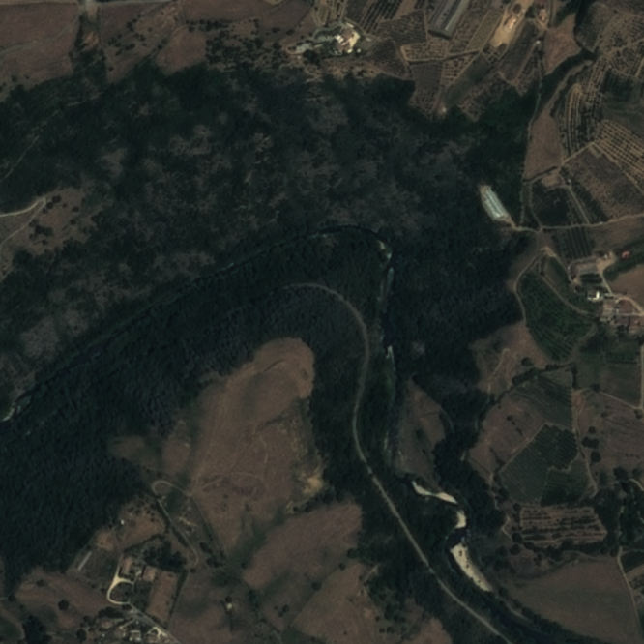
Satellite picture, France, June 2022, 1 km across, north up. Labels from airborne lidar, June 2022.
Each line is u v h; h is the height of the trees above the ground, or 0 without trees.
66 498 13
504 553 10
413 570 11
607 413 8
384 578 8
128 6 0
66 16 0
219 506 0
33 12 0
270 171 7
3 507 16
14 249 0
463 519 0
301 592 0
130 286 11
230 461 0
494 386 0
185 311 23
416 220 7
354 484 15
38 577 0
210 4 0
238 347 17
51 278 14
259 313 14
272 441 0
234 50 8
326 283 11
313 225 17
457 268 9
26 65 0
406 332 18
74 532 7
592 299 0
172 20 0
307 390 0
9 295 9
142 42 7
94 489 14
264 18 0
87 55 6
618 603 0
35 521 7
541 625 13
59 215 0
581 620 0
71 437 9
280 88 8
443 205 7
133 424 9
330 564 0
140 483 6
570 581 0
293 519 0
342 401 9
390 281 0
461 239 12
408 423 0
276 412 0
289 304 16
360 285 15
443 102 0
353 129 10
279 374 0
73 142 12
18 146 6
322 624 0
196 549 0
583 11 13
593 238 0
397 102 9
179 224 7
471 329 14
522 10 0
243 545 0
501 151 7
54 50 0
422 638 0
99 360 10
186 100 8
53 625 0
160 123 10
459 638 12
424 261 10
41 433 18
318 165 7
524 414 0
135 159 8
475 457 0
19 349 10
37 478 8
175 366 20
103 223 8
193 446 0
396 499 14
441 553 14
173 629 0
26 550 8
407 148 6
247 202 9
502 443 0
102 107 10
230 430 0
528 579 0
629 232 0
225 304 19
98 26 0
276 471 0
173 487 0
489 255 9
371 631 0
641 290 0
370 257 17
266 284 18
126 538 0
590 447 11
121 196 10
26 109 8
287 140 8
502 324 10
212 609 0
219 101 10
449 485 17
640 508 13
